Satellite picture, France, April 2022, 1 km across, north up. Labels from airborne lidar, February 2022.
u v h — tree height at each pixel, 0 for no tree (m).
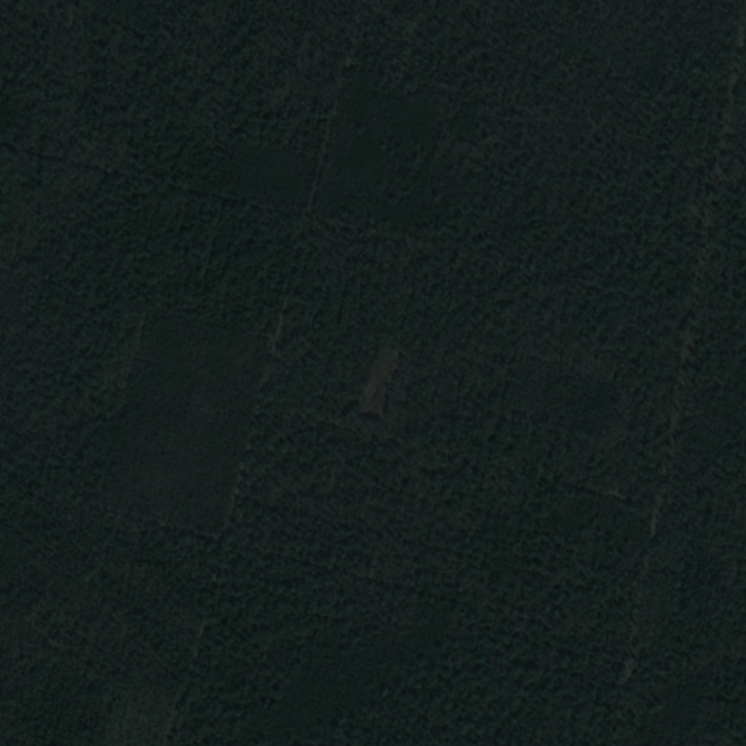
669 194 14
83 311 16
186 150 19
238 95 12
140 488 7
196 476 7
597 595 16
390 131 8
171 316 10
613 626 17
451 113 17
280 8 17
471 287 11
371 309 12
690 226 20
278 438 12
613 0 16
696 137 12
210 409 7
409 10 16
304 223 14
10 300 7
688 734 17
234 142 9
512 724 16
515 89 16
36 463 11
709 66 16
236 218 12
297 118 17
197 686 20
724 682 16
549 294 15
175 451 7
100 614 12
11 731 8
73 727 11
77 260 14
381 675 9
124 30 17
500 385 10
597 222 15
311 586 17
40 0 13
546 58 12
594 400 7
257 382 9
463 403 13
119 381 16
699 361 13
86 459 17
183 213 15
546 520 12
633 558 17
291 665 9
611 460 14
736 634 18
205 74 13
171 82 15
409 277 15
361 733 9
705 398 11
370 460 16
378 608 16
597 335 21
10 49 17
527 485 19
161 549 14
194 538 15
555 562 10
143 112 19
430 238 17
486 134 10
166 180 14
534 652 19
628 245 18
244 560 20
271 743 8
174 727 0
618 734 17
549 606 12
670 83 15
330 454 18
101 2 11
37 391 11
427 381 17
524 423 17
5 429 11
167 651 10
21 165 17
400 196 16
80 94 13
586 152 9
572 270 13
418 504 17
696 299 19
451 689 18
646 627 17
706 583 17
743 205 23
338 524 11
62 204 16
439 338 15
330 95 15
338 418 17
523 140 15
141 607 7
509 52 11
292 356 16
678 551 18
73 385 15
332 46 16
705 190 15
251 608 20
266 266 16
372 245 16
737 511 21
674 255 19
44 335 12
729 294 16
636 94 13
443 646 17
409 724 18
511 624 10
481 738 17
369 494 15
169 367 9
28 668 9
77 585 12
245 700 12
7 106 9
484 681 20
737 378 13
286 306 14
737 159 17
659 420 16
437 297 13
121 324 18
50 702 13
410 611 18
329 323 17
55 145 16
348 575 10
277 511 11
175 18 14
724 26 15
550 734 19
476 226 18
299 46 18
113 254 10
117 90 13
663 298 14
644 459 17
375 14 16
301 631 20
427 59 10
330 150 7
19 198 18
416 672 18
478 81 13
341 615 16
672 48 10
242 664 18
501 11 15
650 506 15
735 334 18
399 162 8
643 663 16
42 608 13
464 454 19
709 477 17
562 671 19
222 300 13
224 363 9
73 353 14
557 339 20
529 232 16
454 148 6
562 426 16
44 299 13
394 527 16
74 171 16
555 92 13
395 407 15
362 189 8
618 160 13
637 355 15
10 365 10
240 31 14
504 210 13
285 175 8
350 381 13
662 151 15
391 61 13
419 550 16
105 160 13
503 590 19
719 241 18
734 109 20
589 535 17
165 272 14
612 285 18
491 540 16
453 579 12
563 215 11
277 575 11
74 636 13
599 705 21
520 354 11
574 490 15
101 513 12
